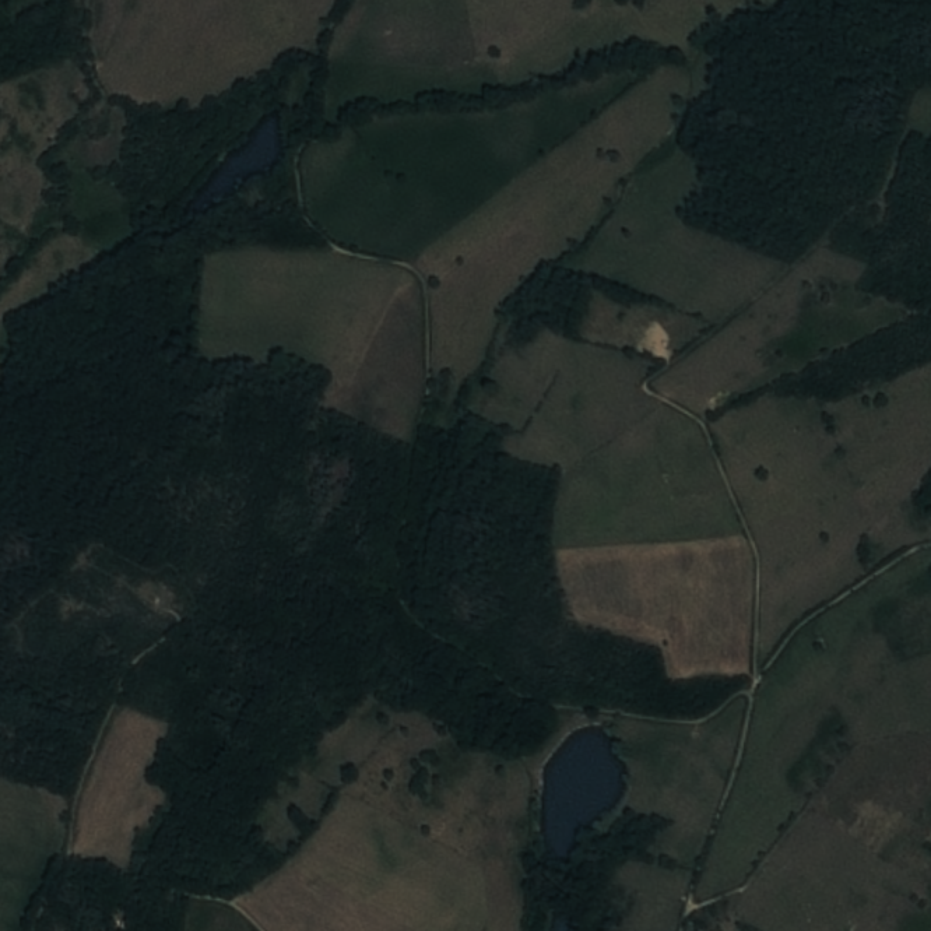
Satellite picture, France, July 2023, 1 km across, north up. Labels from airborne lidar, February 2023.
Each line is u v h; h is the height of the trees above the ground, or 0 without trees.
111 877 17
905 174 14
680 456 0
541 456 0
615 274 0
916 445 0
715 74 20
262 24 0
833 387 12
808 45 21
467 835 0
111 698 12
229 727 23
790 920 0
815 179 9
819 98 18
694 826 0
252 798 25
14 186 0
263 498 12
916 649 0
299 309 0
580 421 0
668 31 0
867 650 0
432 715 11
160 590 0
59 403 20
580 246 18
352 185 0
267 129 0
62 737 12
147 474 12
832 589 0
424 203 0
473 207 0
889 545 0
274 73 7
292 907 0
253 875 22
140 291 14
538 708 23
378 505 17
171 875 17
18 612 11
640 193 0
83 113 10
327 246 10
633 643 7
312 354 0
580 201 0
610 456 0
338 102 0
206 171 11
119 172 19
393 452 17
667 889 0
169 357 25
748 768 0
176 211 14
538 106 0
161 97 0
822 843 0
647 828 8
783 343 0
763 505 0
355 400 0
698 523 0
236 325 0
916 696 0
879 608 0
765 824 0
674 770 0
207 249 22
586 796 0
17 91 0
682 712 9
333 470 22
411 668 12
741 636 0
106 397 18
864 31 18
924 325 9
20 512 16
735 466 0
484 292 0
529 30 0
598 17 0
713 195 15
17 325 19
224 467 6
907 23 16
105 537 10
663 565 0
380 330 0
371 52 0
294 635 21
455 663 13
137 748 0
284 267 0
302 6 0
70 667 10
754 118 15
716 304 0
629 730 0
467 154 0
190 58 0
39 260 0
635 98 0
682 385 0
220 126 14
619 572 0
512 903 0
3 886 0
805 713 0
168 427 19
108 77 0
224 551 8
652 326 0
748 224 10
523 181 0
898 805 0
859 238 5
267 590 22
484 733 12
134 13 0
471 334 0
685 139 19
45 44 11
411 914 0
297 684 19
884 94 18
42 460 20
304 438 17
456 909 0
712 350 0
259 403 12
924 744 0
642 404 0
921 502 14
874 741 0
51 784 15
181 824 17
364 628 18
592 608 0
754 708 0
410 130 0
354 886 0
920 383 0
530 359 0
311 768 0
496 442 12
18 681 9
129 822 0
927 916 0
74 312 20
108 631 5
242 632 21
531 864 17
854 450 0
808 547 0
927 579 0
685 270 0
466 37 0
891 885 0
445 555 14
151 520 9
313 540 10
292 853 8
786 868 0
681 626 0
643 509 0
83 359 14
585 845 18
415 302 0
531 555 7
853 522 0
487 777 0
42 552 15
